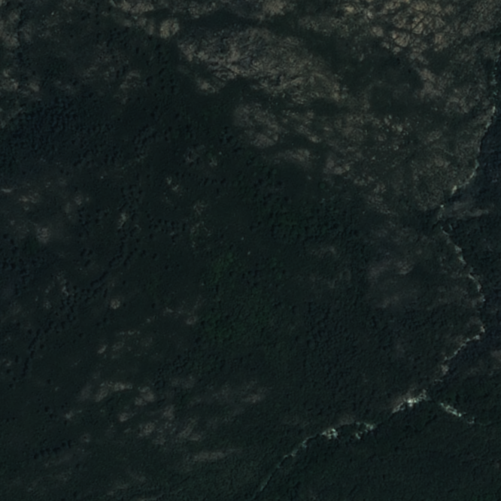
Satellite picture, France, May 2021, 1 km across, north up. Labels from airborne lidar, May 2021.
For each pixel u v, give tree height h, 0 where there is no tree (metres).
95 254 21
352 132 0
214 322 12
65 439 7
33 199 0
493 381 23
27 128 9
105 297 17
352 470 12
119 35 17
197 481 8
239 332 12
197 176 9
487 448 11
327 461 11
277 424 10
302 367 10
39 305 7
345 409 14
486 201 7
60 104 26
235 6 0
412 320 12
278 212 9
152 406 5
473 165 10
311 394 11
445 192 14
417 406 14
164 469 9
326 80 0
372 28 0
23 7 25
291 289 7
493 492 8
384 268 0
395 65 6
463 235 12
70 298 16
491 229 10
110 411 10
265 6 0
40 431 6
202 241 7
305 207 8
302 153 0
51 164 5
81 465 15
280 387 7
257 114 0
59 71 6
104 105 5
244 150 25
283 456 8
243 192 9
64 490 6
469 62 10
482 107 8
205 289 6
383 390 8
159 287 7
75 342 11
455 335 11
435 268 7
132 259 21
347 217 9
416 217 7
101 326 17
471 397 26
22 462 9
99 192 8
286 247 6
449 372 14
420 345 9
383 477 7
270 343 9
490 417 15
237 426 12
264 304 14
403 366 13
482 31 11
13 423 6
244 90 8
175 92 19
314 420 18
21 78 8
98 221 17
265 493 12
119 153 13
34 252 7
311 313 18
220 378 8
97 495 7
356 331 6
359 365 9
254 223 8
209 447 9
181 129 8
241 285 6
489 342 6
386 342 15
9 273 6
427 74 0
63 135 8
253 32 0
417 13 0
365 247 16
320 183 10
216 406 6
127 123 8
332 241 9
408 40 0
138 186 12
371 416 14
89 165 15
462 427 12
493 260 10
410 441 10
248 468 6
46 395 6
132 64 7
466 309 6
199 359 8
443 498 15
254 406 8
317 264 7
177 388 13
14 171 7
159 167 6
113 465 7
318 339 25
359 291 9
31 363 18
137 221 19
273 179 22
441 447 9
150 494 11
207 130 8
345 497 14
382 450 18
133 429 9
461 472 17
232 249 18
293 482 10
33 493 6
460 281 12
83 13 9
